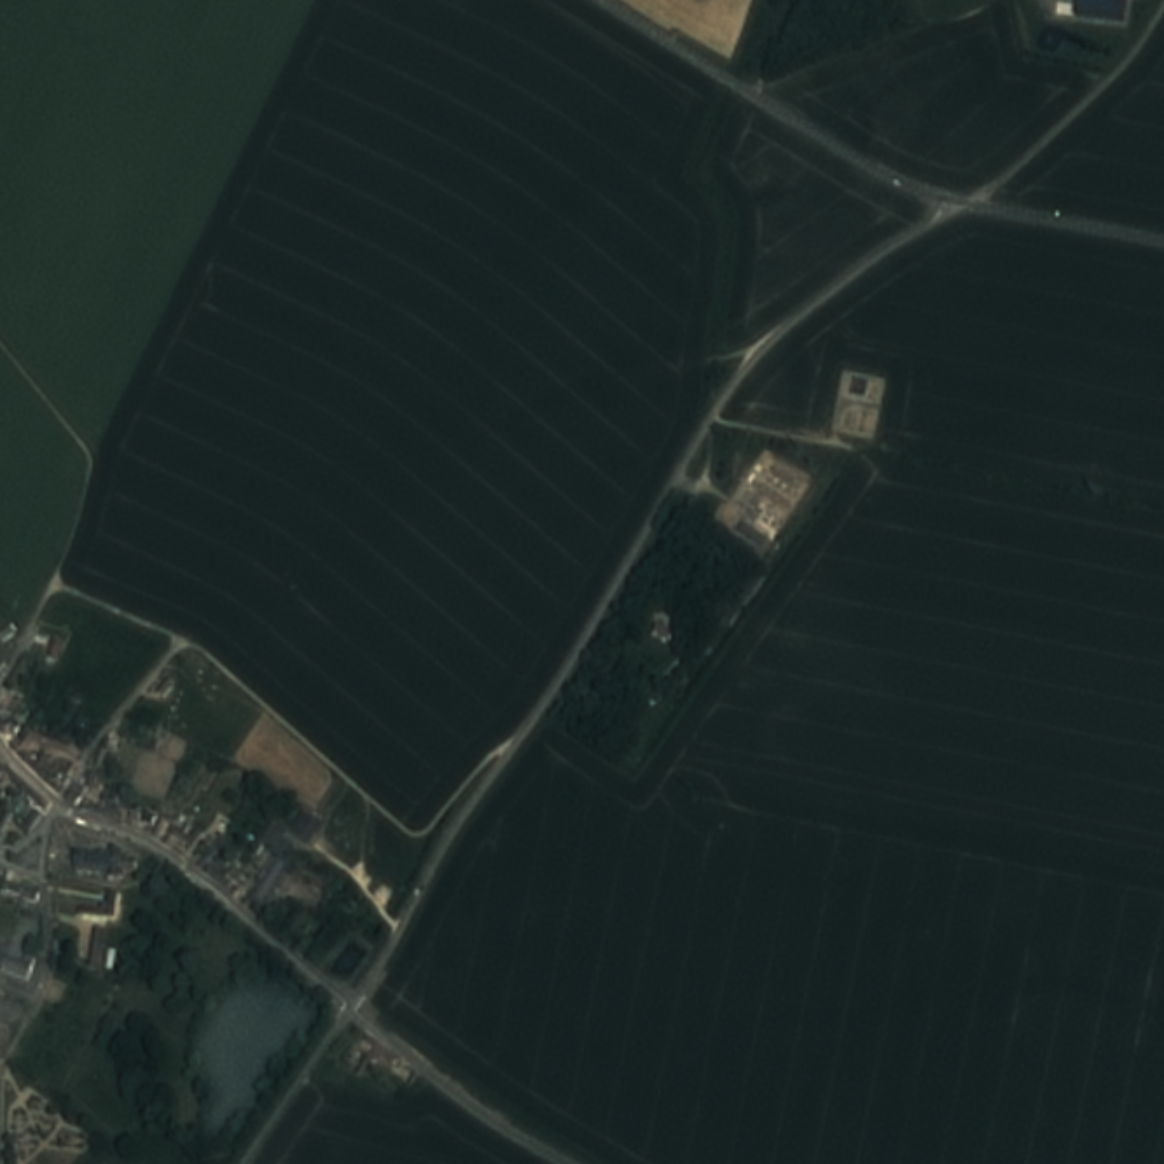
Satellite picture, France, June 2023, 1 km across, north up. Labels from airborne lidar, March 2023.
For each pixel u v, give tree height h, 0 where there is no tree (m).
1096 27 0
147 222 0
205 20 0
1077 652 0
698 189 0
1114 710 0
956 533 0
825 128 0
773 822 0
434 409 0
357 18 0
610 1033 0
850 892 0
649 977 0
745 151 0
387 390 0
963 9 0
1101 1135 0
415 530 0
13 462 0
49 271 0
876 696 0
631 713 23
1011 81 0
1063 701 0
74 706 8
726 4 0
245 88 0
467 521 0
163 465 0
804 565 0
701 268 0
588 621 0
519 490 0
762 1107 0
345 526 0
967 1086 0
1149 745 0
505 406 0
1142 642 0
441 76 0
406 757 0
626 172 0
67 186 0
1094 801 0
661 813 0
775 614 0
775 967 0
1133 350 0
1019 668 0
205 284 0
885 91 0
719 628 15
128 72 0
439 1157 0
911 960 0
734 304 0
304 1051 6
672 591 26
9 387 0
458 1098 0
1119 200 0
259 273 0
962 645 0
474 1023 0
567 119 0
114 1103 0
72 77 0
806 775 0
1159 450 0
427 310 0
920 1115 0
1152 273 0
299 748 0
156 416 0
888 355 0
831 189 0
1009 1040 0
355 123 0
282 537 0
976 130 0
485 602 0
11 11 0
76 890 0
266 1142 0
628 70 0
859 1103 0
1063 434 0
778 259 0
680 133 0
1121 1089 0
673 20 0
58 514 0
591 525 0
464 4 0
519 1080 0
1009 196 0
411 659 0
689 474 0
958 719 0
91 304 0
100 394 0
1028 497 0
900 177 0
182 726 0
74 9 0
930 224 0
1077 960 0
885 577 0
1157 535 0
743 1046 0
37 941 15
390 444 0
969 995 0
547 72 0
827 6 16
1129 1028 0
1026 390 0
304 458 0
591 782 0
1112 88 0
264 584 0
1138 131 0
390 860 0
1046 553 0
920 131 0
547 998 0
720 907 0
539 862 0
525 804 0
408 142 0
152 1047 22
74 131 0
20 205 0
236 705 0
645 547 0
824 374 0
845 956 0
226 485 0
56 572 0
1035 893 0
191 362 0
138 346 0
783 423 0
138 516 0
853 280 0
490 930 0
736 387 0
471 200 0
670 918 0
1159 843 0
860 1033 0
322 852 0
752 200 0
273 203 0
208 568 0
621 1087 0
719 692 0
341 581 0
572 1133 0
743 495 0
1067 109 0
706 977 0
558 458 0
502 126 0
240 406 0
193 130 0
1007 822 0
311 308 0
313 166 0
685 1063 0
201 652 0
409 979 0
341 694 0
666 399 0
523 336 0
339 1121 0
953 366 0
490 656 0
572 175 0
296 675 0
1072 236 0
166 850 0
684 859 0
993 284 0
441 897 0
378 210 0
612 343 0
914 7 0
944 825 0
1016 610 0
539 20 0
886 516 0
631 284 0
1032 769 0
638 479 0
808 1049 0
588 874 0
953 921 0
